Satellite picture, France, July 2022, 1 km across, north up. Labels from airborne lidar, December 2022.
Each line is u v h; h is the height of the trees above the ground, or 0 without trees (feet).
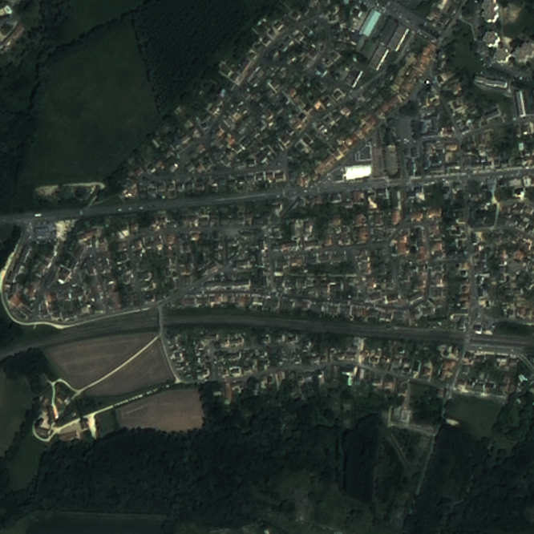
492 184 0
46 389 0
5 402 0
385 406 22
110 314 0
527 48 0
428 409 25
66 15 69
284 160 0
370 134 0
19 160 70
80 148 0
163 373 0
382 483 28
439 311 29
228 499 57
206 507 78
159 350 0
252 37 21
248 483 51
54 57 64
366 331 0
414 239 22
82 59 0
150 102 0
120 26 65
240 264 0
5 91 21
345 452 22
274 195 0
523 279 0
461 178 0
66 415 19
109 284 0
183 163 0
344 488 23
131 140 0
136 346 0
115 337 0
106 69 0
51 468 100
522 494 110
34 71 0
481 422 0
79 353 0
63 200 37
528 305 0
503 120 0
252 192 0
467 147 26
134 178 19
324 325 0
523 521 43
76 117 0
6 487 49
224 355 33
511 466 72
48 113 0
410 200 0
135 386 0
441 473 35
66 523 0
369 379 25
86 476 92
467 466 29
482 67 0
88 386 0
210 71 56
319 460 49
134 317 0
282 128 24
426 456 21
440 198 0
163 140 22
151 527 0
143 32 101
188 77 74
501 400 0
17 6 26
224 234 0
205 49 80
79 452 52
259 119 0
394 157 0
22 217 0
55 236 0
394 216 0
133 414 0
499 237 0
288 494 0
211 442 112
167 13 93
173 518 68
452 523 63
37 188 0
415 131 26
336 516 0
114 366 0
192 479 67
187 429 0
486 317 0
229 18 86
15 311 0
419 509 36
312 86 18
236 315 0
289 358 0
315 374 44
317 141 18
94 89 0
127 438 119
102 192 45
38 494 54
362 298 0
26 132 87
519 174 0
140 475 92
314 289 0
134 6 0
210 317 0
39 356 63
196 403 0
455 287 0
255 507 68
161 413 0
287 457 29
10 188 32
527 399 56
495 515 73
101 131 0
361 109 21
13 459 33
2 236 0
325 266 20
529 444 50
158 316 0
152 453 119
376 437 76
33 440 0
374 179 0
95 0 0
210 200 0
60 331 0
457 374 0
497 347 0
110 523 0
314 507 0
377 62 0
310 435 55
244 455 105
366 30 0
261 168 0
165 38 84
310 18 0
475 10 0
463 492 23
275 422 60
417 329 0
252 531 0
